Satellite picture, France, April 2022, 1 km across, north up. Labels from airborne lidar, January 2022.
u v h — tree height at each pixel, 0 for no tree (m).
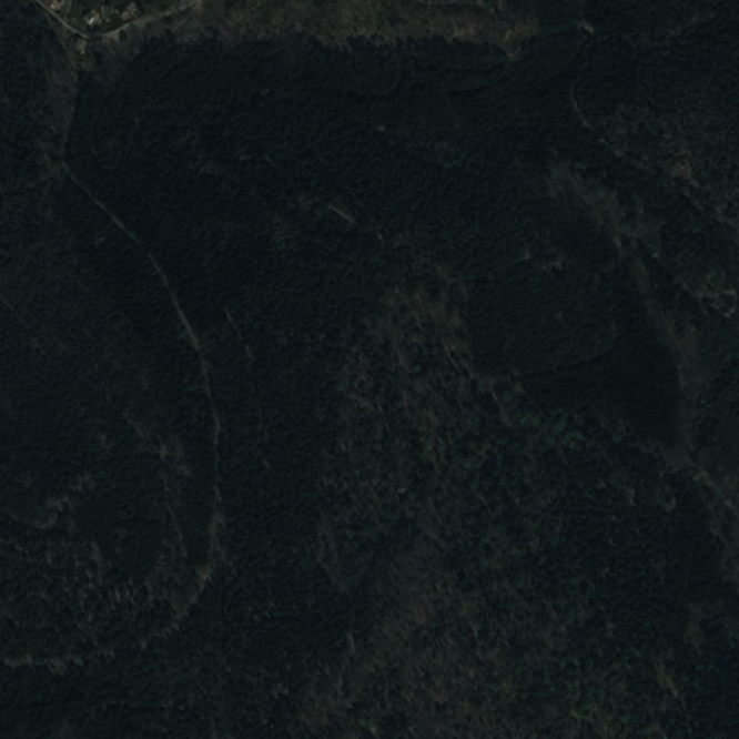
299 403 30
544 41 19
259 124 32
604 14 20
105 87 22
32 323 13
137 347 16
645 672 28
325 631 29
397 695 30
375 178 33
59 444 16
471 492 33
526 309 25
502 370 26
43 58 27
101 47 19
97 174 28
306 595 31
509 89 24
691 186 15
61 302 13
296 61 29
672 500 14
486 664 27
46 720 20
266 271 30
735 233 22
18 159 16
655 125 6
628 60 17
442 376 21
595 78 14
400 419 30
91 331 14
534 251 11
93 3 0
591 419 12
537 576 24
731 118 17
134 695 18
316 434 28
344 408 32
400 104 31
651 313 28
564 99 16
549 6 28
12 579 26
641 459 31
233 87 33
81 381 15
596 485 31
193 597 12
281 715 37
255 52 26
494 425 27
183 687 25
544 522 27
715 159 19
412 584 29
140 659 23
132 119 28
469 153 24
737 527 29
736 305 21
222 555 17
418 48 26
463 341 30
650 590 35
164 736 14
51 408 14
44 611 21
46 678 26
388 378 33
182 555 19
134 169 28
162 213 24
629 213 14
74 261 13
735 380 13
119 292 24
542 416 37
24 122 28
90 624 23
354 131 30
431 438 32
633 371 26
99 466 15
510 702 29
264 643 31
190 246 18
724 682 35
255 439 23
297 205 10
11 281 10
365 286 35
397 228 12
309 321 25
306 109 36
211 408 24
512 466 35
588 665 24
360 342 31
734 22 6
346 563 36
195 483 18
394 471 21
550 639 31
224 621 15
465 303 27
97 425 11
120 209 27
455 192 29
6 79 21
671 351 28
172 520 20
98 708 8
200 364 23
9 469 7
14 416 12
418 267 28
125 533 10
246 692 30
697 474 16
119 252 30
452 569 22
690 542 27
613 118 13
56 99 29
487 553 23
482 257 27
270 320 24
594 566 34
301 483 25
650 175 17
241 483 27
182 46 19
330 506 26
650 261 23
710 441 13
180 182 24
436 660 29
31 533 10
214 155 22
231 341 25
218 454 17
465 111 31
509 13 16
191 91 36
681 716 34
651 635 31
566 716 20
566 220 26
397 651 22
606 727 26
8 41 27
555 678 23
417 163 31
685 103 13
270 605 33
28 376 10
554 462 38
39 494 13
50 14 8
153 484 17
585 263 20
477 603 25
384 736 28
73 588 12
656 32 19
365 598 28
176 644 23
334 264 33
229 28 13
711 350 18
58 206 11
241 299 29
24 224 11
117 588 26
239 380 24
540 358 28
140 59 22
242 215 32
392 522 31
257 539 28
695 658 30
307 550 25
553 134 15
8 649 20
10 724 18
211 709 23
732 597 28
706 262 26
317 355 30
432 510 36
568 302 23
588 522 35
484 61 21
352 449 28
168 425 19
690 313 12
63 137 24
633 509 36
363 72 36
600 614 35
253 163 25
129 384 16
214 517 20
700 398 15
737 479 14
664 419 26
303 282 35
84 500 17
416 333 34
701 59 8
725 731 37
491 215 25
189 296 26
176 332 30
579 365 24
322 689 24
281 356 30
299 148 32
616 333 11
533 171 22
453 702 31
